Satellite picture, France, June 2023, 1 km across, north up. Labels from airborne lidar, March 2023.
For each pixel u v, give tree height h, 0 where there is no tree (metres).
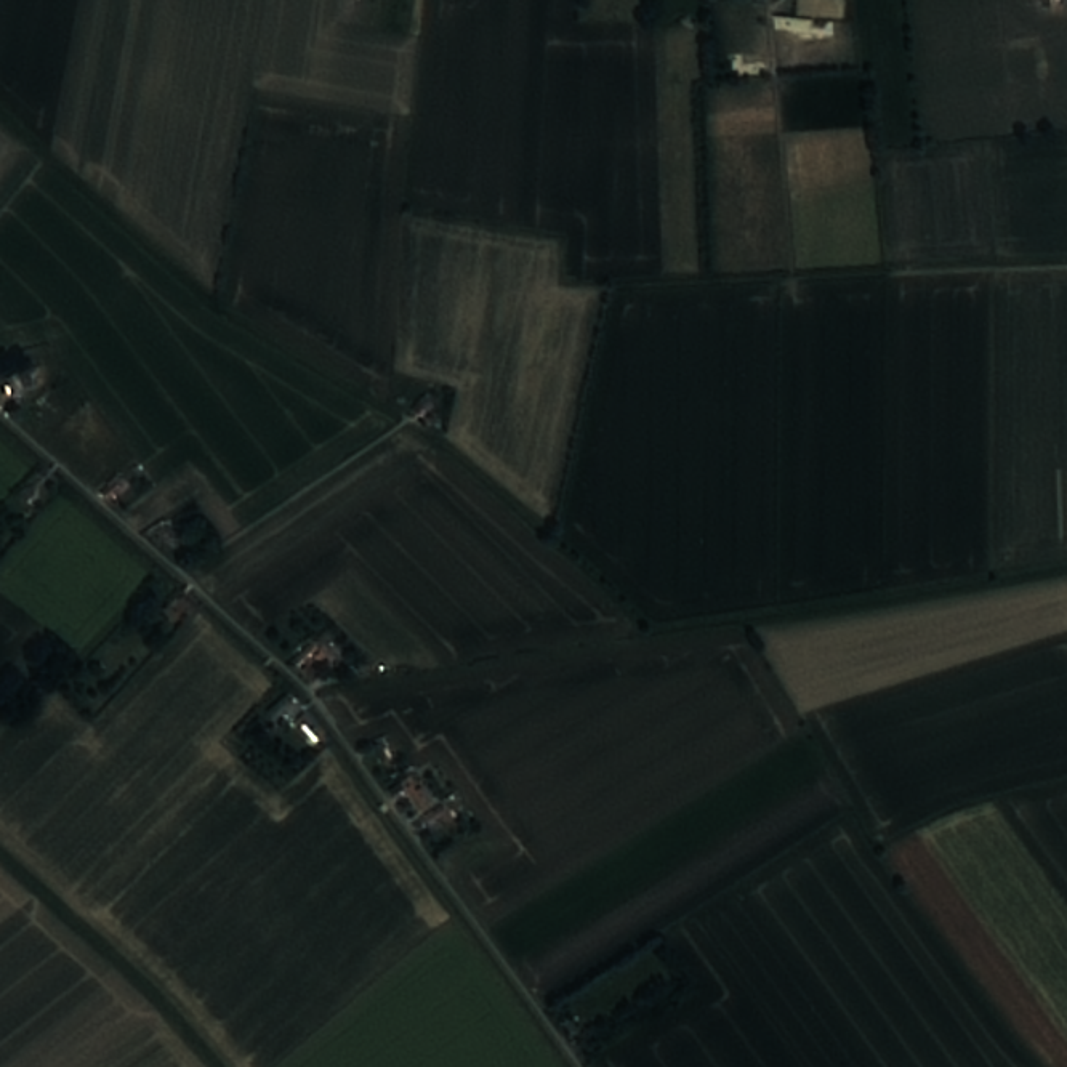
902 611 0
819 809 0
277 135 0
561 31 0
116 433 0
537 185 0
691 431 0
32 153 0
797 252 0
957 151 0
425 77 0
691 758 0
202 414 0
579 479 0
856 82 0
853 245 0
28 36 0
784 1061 0
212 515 0
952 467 0
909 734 0
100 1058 0
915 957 0
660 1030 0
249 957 0
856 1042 0
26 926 0
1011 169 0
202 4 0
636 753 0
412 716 0
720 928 0
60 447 0
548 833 0
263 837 0
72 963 0
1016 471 0
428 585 0
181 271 0
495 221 0
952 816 0
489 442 0
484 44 0
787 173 0
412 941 0
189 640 0
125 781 0
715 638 0
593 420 0
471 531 0
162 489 0
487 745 0
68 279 0
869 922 0
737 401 0
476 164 0
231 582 0
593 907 0
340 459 0
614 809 0
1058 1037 0
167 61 0
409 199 0
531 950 0
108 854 0
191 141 0
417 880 0
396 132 0
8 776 0
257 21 0
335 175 0
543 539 15
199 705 0
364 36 0
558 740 0
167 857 0
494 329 0
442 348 0
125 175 0
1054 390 0
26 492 0
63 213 0
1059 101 0
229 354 0
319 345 0
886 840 0
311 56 0
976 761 0
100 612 0
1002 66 0
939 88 0
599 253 0
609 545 0
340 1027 0
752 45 0
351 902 0
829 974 0
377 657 0
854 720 0
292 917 0
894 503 0
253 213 0
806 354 0
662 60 0
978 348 0
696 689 0
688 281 0
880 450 0
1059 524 0
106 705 0
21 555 0
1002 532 0
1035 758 0
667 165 0
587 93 0
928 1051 0
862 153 0
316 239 0
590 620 0
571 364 0
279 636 7
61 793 0
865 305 0
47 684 23
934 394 0
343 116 0
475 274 0
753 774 0
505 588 0
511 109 0
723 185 0
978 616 0
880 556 0
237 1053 0
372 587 0
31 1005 0
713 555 0
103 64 0
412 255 0
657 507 0
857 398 0
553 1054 0
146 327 0
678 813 0
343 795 0
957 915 0
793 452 0
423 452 0
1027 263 0
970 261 0
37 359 0
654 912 0
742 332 0
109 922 0
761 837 0
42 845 0
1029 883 0
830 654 0
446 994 0
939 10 0
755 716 0
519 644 0
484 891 0
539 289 0
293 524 0
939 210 0
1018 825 0
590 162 0
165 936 0
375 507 0
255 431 0
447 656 0
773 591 0
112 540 0
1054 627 0
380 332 0
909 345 0
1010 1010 0
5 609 0
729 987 0
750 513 0
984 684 0
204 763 0
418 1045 0
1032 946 0
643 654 0
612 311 0
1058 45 0
